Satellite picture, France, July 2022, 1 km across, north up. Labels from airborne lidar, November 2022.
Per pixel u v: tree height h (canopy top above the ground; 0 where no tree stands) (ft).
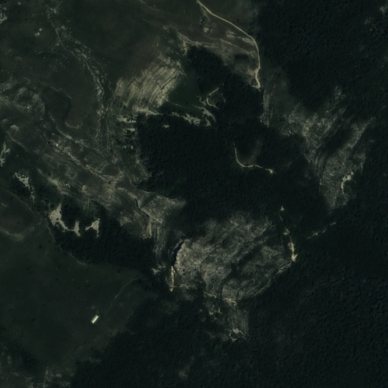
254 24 29
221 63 37
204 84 31
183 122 30
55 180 0
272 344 40
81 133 0
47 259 0
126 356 53
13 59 0
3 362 0
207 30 0
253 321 35
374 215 56
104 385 42
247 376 71
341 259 39
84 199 0
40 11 0
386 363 64
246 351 49
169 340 46
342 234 46
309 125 0
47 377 0
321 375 42
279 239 23
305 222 29
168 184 49
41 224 0
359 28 44
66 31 0
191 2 0
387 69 34
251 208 32
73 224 45
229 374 47
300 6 69
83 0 0
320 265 70
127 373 46
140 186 24
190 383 45
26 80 0
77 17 0
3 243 0
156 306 28
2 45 0
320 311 47
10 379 0
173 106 0
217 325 19
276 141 21
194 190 44
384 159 48
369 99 47
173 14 0
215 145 43
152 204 0
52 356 0
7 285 0
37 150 0
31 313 0
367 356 73
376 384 53
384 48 30
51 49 0
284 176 29
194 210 33
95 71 0
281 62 36
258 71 0
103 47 0
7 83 0
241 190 53
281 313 58
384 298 73
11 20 0
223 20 0
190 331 54
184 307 48
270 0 38
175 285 0
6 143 0
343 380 53
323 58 70
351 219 48
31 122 0
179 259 0
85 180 0
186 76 0
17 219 0
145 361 45
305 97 27
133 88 0
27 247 0
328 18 43
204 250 0
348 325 71
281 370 41
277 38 56
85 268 0
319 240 28
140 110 0
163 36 0
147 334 30
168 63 0
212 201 32
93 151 0
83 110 0
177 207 0
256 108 22
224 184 39
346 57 72
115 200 0
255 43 0
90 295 0
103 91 0
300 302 70
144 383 55
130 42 0
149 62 0
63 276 0
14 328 0
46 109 0
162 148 48
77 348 0
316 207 38
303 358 69
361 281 86
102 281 0
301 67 48
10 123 0
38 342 0
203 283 18
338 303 49
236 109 27
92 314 0
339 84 29
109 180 21
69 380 0
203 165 60
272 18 44
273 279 26
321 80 52
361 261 40
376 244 40
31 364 19
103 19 0
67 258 0
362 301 76
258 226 0
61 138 0
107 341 0
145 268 30
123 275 0
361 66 71
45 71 0
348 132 24
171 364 44
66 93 0
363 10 50
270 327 58
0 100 0
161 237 0
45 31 0
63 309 0
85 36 0
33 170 0
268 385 70
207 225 0
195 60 40
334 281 53
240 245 0
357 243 53
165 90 0
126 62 0
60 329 0
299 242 40
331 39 60
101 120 0
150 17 0
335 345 30
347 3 69
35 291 0
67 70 0
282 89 0
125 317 0
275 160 37
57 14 0
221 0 0
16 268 0
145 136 30
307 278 67
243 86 53
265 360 53
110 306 0
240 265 30
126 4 0
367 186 32
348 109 32
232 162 26
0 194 0
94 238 36
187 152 41
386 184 44
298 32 40
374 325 72
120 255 34
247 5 0
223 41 0
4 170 0
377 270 51
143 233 0
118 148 0
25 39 0
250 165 0
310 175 20
